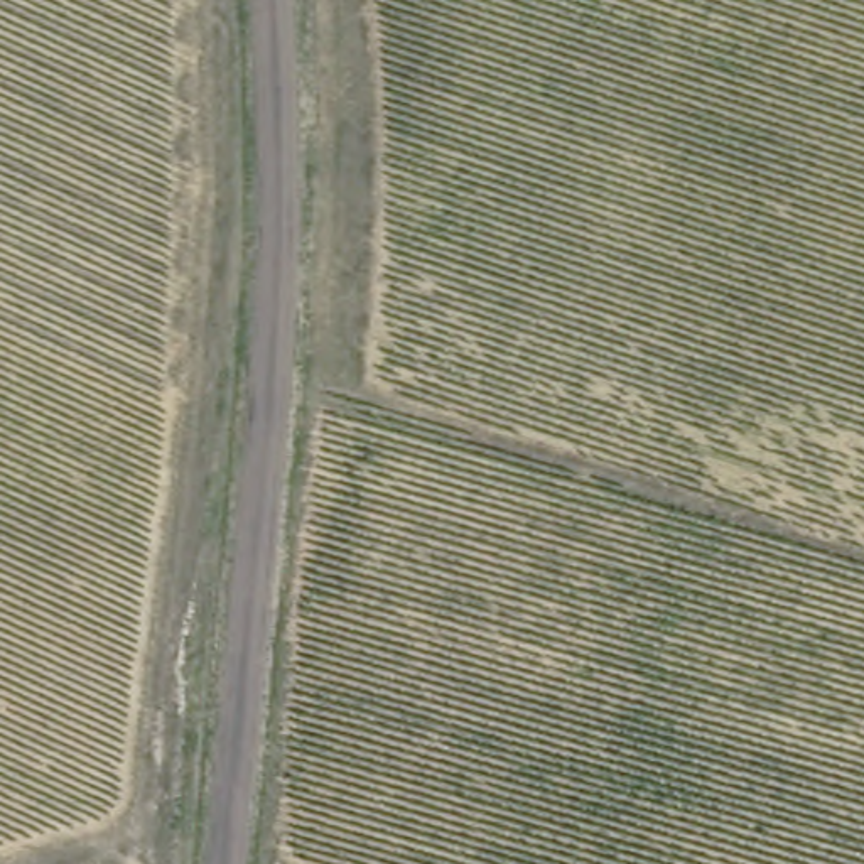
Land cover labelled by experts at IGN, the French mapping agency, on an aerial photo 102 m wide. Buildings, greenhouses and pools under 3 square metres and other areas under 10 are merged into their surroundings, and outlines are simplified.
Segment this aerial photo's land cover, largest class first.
<instances>
[{"label":"vineyard","instance_id":"1","mask_svg":"<svg viewBox=\"0 0 864 864\"><path fill-rule=\"evenodd\" d=\"M196 7V0H0V840L98 817L118 800L128 665L135 648L149 510L155 500L159 476L155 462L162 435V388H172L169 368L189 348V334L172 327L179 294L182 287H189L182 273H176V250L179 230L196 226L203 186L216 179L192 159H176V135L199 125V108L176 98L179 74L199 68V47L182 44L176 37L179 17ZM361 10L368 24L375 98V226L365 331V385L375 392V398H358L327 388V412L311 415L304 486L287 483V516L280 527L273 567L277 621L270 699L280 702V732L297 736V746H290V770L280 766L277 776L280 803L270 837L277 840L280 864H864V0H365Z\"/></svg>","mask_w":864,"mask_h":864},{"label":"herbaceous vegetation","instance_id":"2","mask_svg":"<svg viewBox=\"0 0 864 864\"><path fill-rule=\"evenodd\" d=\"M176 37L182 44L199 47V68L179 74L176 98L199 108V125L176 135V159H192L216 179L203 186L196 226L179 230L176 250V273H182L189 287H182L179 294L172 327L189 334V348L169 368L172 388H162V435L155 462L159 476L155 500L149 510L135 648L128 665L118 800L98 817L0 840V864H206L230 621V527L236 520L243 429L253 422V402L246 398L250 311L257 287V88L250 0H196V7L179 17ZM365 0H294L297 125L304 176L297 257V348L290 378L294 459L287 483L304 486L311 415L327 412V388L358 398H375V392L365 385V331L375 226V98L368 24L361 10ZM290 746H297V736L280 732V702L270 699L263 726V773L257 786V817L246 864H280L277 840L270 837L280 803L277 776L280 766L290 770Z\"/></svg>","mask_w":864,"mask_h":864},{"label":"impervious surface","instance_id":"3","mask_svg":"<svg viewBox=\"0 0 864 864\"><path fill-rule=\"evenodd\" d=\"M257 88V287L250 311L246 398L253 402V422L243 429L236 520L230 527V621L206 864H246L257 817V786L263 773V726L270 699L277 621L273 567L280 527L287 516V483L294 459L290 378L297 348V257L304 176L297 125L294 0H250Z\"/></svg>","mask_w":864,"mask_h":864}]
</instances>
